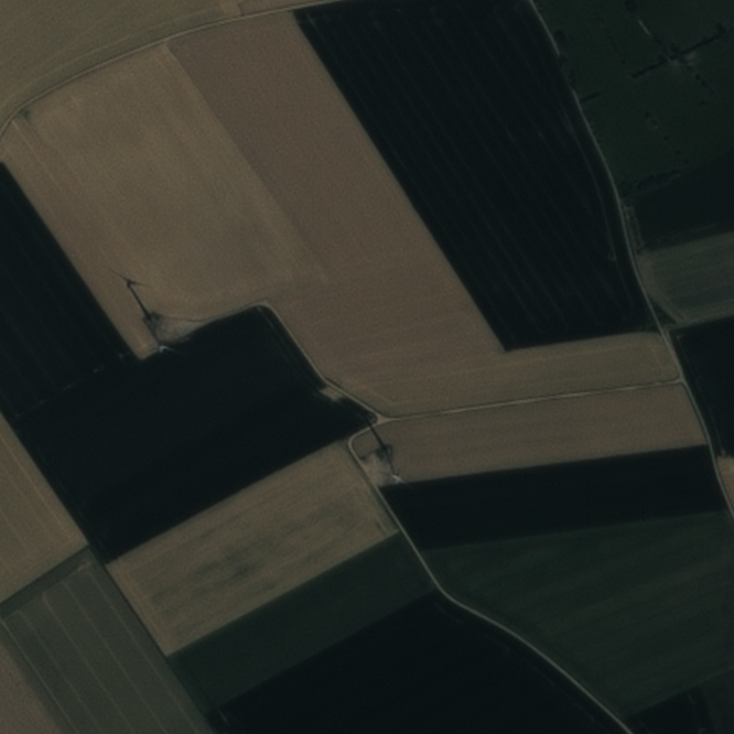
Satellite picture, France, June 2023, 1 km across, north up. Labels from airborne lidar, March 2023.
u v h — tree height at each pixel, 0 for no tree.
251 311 0
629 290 0
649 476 0
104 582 0
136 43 0
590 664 0
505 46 0
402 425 0
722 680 0
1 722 0
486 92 0
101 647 0
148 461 0
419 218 0
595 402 0
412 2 0
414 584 0
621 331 0
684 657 0
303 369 0
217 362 0
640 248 0
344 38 0
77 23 0
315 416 0
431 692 0
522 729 0
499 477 0
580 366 0
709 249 0
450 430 0
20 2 0
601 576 0
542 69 0
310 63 0
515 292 0
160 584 0
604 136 0
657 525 0
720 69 0
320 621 0
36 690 0
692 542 0
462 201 0
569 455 0
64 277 0
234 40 0
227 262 0
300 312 0
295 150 0
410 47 0
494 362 0
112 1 0
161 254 0
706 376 0
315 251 0
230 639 0
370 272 0
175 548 0
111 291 0
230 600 0
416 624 0
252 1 0
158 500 0
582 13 0
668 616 0
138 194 0
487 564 0
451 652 0
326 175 0
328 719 0
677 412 0
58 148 0
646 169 0
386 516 0
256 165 0
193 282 0
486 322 0
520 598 0
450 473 0
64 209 0
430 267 0
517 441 0
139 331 0
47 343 0
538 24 0
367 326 0
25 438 0
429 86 0
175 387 0
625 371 0
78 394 0
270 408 0
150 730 0
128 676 0
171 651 0
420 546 0
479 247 0
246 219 0
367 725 0
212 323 0
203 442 0
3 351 0
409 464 0
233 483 0
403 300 0
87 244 0
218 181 0
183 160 0
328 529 0
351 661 0
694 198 0
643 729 0
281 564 0
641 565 0
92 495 0
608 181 0
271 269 0
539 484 0
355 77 0
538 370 0
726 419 0
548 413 0
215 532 0
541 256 0
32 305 0
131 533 0
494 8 0
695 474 0
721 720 0
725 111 0
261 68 0
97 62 0
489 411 0
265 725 0
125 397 0
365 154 0
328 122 0
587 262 0
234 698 0
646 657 0
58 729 0
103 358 0
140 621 0
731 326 0
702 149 0
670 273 0
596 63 0
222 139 0
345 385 0
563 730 0
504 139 0
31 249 0
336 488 0
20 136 0
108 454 0
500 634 0
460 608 0
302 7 0
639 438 0
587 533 0
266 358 0
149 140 0
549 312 0
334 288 0
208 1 0
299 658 0
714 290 0
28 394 0
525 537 0
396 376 0
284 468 0
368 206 0
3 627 0
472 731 0
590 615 0
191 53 0
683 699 0
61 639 0
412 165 0
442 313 0
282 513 0
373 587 0
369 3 0
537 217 0
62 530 0
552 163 0
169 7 0
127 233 0
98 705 0
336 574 0
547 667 0
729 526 0
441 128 0
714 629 0
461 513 0
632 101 0
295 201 0
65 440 0
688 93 0
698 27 0
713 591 0
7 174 0
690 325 0
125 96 0
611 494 0
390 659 0
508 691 0
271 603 0
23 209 0
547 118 0
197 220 0
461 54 0
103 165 0
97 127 0
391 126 0
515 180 0
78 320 0
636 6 18
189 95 0
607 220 0
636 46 0
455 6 0
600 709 0
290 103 0
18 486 0
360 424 0
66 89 0
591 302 0
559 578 0
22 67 0
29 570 0
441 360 0
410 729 0
